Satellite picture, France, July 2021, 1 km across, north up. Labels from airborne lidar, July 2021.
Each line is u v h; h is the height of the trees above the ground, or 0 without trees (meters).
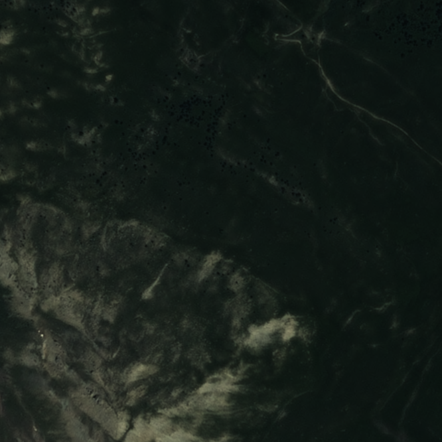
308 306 0
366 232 0
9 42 0
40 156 0
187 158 0
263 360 0
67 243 0
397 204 0
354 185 0
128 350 0
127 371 0
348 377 0
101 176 7
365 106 0
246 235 0
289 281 0
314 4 0
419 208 0
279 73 0
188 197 0
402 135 0
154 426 0
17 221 0
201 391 0
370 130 0
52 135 0
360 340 0
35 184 0
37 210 0
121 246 0
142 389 0
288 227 0
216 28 0
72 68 0
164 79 0
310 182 0
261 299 0
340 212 0
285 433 0
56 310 0
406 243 0
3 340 0
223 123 0
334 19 0
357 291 0
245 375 0
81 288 0
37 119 0
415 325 0
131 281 0
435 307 0
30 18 0
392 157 0
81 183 0
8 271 0
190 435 0
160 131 0
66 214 0
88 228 0
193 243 0
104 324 0
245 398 0
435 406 0
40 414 0
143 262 0
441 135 0
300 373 0
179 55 0
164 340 0
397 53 0
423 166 0
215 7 0
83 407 0
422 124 0
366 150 0
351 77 0
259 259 0
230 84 0
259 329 0
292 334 0
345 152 0
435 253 0
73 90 0
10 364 0
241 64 0
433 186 0
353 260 0
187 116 10
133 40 0
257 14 0
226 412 0
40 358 0
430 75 0
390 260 0
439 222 0
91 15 0
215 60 0
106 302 0
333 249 0
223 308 0
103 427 0
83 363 0
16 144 0
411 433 0
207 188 0
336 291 0
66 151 0
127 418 0
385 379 0
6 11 0
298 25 0
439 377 0
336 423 0
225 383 0
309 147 0
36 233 0
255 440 0
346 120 0
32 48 0
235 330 0
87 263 0
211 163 0
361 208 0
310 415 0
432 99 0
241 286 0
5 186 0
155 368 0
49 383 0
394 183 0
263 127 0
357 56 0
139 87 0
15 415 0
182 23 0
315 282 0
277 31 0
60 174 0
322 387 0
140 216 0
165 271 0
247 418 0
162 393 0
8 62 0
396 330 0
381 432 0
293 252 0
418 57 0
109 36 0
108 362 0
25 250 0
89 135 0
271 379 0
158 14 0
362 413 0
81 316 0
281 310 0
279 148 0
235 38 0
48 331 0
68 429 0
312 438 0
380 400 0
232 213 0
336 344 0
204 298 0
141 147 0
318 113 0
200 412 0
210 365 0
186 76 0
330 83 0
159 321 0
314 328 0
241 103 0
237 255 0
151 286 0
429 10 6
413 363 0
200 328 0
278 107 0
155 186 0
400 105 0
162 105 0
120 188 0
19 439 0
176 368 0
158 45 0
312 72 0
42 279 0
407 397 0
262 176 0
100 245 0
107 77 0
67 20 0
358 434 0
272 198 0
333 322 0
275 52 0
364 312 0
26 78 0
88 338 0
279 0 0
